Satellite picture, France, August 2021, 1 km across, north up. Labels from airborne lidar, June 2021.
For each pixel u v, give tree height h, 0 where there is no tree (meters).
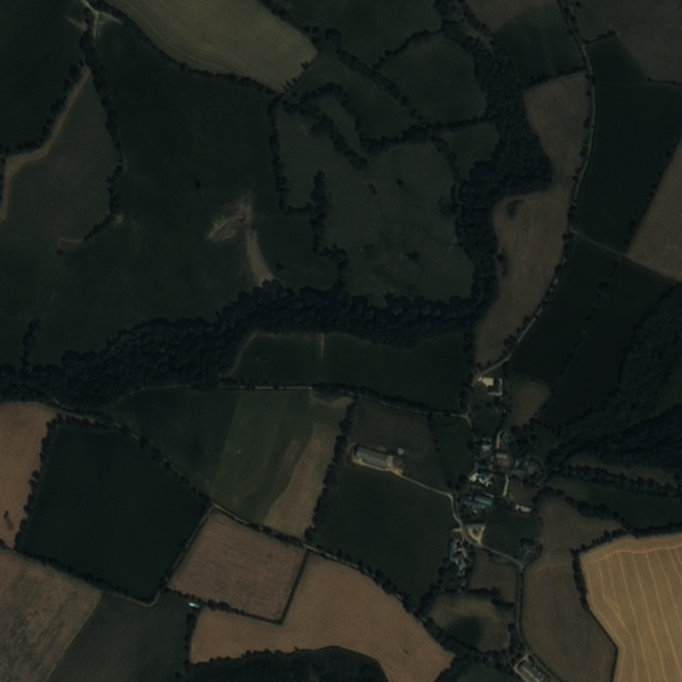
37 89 0
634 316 0
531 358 0
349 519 0
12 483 0
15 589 0
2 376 17
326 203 16
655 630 0
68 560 0
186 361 21
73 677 0
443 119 0
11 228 0
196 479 0
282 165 10
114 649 0
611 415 17
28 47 0
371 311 30
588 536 0
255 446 0
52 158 0
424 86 0
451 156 11
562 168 0
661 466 15
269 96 12
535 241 0
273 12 11
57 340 0
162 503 0
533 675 0
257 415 0
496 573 0
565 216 0
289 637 0
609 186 0
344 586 0
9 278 0
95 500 0
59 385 22
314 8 0
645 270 0
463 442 0
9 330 0
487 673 0
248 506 0
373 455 0
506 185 18
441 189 0
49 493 0
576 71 11
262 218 0
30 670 0
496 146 0
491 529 0
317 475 0
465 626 0
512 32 0
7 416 0
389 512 0
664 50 0
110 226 11
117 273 0
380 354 0
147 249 0
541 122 0
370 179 0
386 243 0
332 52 0
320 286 0
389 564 0
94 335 0
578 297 0
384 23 0
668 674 0
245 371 0
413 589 0
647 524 0
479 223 12
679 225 0
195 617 10
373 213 0
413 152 0
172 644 0
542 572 0
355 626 0
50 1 0
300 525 0
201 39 0
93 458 0
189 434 0
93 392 27
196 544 0
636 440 26
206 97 0
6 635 0
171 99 0
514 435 11
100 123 0
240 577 0
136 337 8
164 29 0
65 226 0
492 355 0
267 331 17
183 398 0
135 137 0
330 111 0
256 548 0
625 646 0
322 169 0
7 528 0
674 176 0
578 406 0
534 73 0
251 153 0
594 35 0
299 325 19
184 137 0
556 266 0
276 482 0
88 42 15
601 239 0
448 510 0
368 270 0
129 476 0
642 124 0
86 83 0
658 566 0
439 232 0
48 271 0
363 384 0
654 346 15
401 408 13
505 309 0
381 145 12
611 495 0
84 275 0
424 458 0
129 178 0
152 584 0
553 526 0
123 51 0
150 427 0
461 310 22
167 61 13
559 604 0
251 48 0
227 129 0
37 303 0
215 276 0
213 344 26
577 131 0
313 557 0
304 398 0
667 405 0
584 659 0
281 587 0
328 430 0
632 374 19
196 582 0
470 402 9
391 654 0
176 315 0
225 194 0
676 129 0
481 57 16
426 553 0
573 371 0
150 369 18
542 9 0
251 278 0
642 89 0
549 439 0
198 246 0
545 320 0
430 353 0
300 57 0
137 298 0
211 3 0
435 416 9
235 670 10
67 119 0
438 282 0
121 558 0
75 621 0
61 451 0
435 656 0
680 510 0
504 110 13
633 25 0
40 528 0
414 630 0
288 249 0
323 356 0
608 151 0
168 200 0
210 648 0
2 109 0
